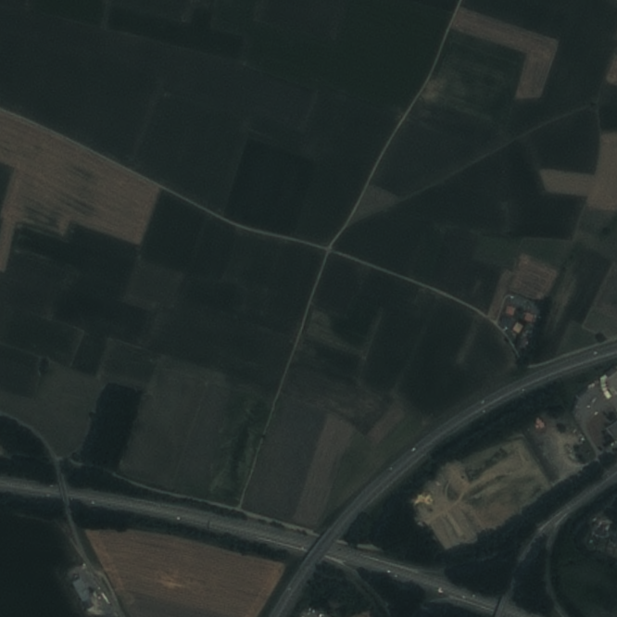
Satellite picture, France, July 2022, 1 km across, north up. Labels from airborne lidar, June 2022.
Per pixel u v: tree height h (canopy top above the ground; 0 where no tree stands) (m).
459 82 0
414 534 20
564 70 0
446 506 0
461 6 0
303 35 0
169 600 0
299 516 0
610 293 0
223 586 0
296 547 0
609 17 0
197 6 0
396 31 0
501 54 0
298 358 0
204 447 0
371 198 0
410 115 0
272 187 0
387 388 0
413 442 0
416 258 0
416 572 0
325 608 7
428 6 0
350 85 0
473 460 0
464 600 0
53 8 0
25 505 22
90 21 0
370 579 17
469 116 0
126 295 0
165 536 0
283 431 0
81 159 0
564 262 0
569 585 0
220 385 0
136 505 0
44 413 0
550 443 0
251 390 0
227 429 0
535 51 0
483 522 0
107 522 20
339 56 0
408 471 0
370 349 0
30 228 0
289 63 0
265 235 0
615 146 0
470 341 0
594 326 0
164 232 0
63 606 0
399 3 0
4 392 0
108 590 0
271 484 0
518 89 0
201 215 0
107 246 0
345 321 0
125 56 0
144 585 0
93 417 12
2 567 0
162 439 0
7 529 0
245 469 0
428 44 0
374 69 0
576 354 0
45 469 21
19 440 20
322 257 0
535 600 23
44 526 0
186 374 0
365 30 0
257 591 0
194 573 0
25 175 0
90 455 18
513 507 0
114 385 11
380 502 0
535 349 12
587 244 0
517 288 0
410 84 0
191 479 0
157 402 0
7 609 0
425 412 0
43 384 0
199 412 0
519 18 0
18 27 0
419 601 23
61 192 0
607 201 0
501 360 0
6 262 0
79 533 0
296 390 0
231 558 0
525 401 17
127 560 0
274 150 0
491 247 0
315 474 0
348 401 0
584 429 0
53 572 0
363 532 13
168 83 0
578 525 12
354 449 0
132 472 0
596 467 17
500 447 0
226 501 0
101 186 0
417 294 0
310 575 0
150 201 0
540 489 0
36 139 0
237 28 0
